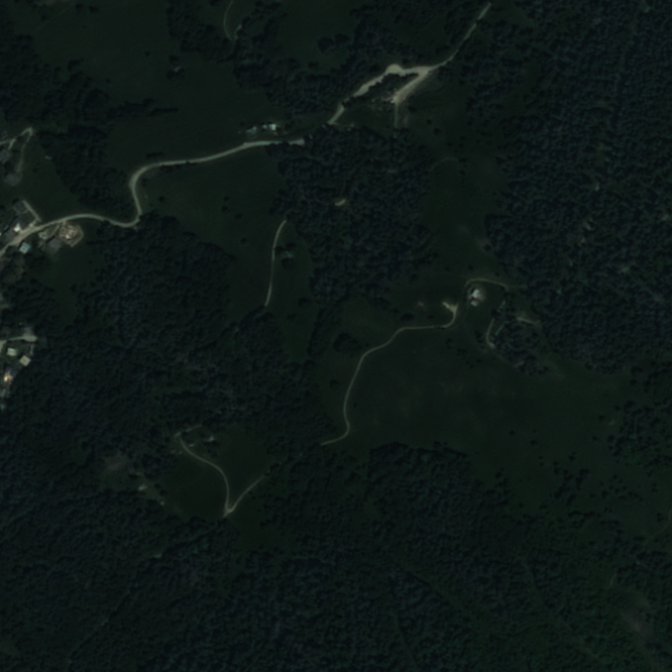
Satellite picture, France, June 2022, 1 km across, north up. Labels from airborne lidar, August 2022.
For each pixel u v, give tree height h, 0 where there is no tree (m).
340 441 0
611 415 0
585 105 25
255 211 0
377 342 0
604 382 0
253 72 24
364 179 18
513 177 17
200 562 32
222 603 9
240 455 0
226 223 0
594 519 12
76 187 21
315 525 20
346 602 23
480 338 18
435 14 8
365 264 22
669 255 16
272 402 28
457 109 0
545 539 15
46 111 9
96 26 0
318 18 0
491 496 16
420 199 26
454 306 0
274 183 0
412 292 0
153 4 0
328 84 23
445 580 14
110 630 11
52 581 25
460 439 0
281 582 11
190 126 0
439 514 29
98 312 14
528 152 12
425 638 17
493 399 0
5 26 15
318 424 14
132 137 0
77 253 0
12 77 28
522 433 0
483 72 24
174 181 0
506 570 27
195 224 0
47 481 10
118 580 16
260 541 0
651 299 22
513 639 15
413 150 11
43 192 0
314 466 18
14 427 20
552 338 22
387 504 22
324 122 0
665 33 26
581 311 21
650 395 15
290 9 0
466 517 20
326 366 0
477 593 23
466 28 17
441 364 0
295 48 0
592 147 11
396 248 18
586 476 13
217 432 20
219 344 29
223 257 27
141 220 13
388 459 32
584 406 0
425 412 0
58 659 15
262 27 0
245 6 0
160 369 11
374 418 0
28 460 25
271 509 14
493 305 0
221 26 0
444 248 0
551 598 16
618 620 7
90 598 26
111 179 23
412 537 21
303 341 0
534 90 8
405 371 0
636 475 0
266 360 25
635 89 23
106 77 0
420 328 0
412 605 19
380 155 13
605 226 25
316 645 12
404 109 0
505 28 20
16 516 27
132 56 0
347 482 16
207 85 0
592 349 24
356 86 13
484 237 0
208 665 22
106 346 18
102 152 20
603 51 18
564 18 10
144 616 16
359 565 19
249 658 10
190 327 25
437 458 21
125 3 0
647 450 16
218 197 0
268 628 14
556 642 15
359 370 0
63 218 0
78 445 16
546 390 0
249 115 0
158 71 0
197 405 21
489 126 7
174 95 0
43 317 22
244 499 0
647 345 17
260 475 0
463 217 0
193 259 23
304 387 17
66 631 22
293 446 18
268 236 0
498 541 19
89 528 25
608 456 0
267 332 27
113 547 18
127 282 27
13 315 17
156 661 16
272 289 0
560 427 0
